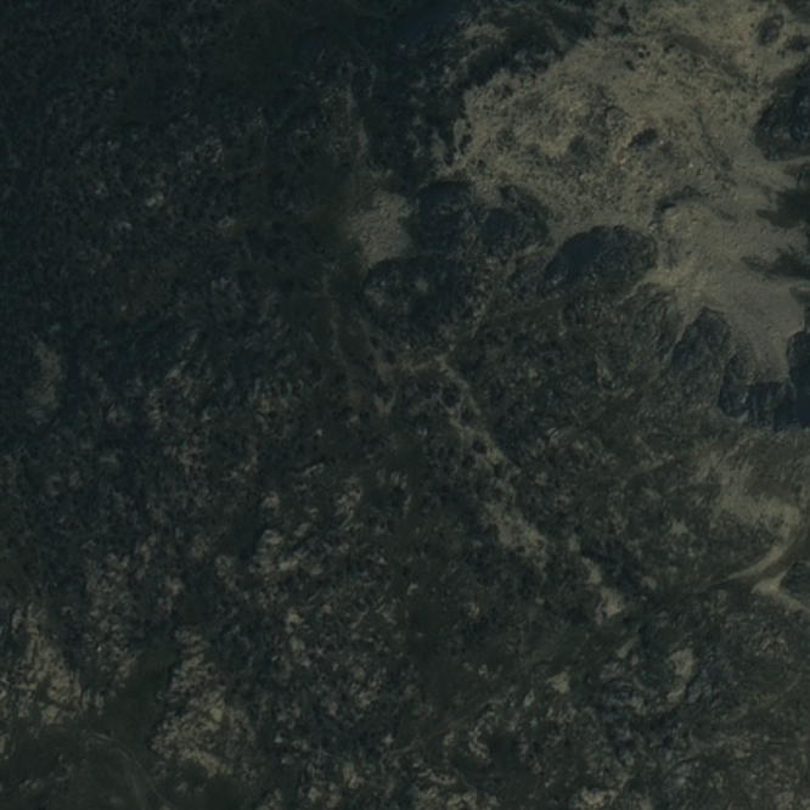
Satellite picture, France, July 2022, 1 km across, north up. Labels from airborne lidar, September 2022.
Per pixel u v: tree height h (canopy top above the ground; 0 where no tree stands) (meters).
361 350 0
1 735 0
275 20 0
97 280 8
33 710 0
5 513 0
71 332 14
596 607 0
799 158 0
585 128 0
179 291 11
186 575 10
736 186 0
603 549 9
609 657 0
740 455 0
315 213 0
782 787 0
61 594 12
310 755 7
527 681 0
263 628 9
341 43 0
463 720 0
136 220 9
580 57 0
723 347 0
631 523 0
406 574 8
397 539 0
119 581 0
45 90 7
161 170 0
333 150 0
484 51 0
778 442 0
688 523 0
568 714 0
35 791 0
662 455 0
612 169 0
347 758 0
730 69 0
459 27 8
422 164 0
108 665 0
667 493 0
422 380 0
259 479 8
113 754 0
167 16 7
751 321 0
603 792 0
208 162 8
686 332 0
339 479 0
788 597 0
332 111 0
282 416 6
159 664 0
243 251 6
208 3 11
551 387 0
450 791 0
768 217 0
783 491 0
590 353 0
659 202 0
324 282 0
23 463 9
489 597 0
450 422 0
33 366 10
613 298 0
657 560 0
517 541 0
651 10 0
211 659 0
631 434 0
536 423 7
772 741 0
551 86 0
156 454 10
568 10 0
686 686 0
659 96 0
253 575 8
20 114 9
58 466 0
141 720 0
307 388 0
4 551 0
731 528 0
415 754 0
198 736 0
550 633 0
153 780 0
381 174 0
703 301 0
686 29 0
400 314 0
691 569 0
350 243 0
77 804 0
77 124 9
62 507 9
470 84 9
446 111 0
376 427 0
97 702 0
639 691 0
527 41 0
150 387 7
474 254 0
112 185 11
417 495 0
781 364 0
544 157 0
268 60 0
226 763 0
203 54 10
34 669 0
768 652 0
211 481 10
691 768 0
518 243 6
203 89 11
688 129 0
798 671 0
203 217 10
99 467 13
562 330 0
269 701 0
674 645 0
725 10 0
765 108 0
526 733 0
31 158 10
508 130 0
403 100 8
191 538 9
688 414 0
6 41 0
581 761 0
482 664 0
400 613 0
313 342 0
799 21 0
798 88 0
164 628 11
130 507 10
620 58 0
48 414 0
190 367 8
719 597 0
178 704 0
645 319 0
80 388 9
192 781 0
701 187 0
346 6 0
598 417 0
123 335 10
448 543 0
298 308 0
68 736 0
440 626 0
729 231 0
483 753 0
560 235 0
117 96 6
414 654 0
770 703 0
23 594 0
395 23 0
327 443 0
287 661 0
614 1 0
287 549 0
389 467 0
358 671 0
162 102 12
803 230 0
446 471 6
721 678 0
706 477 0
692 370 0
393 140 0
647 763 0
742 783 0
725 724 0
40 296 12
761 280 0
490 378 0
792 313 0
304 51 10
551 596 0
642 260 0
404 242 0
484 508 0
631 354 0
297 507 0
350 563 7
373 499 0
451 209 6
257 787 0
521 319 0
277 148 17
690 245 0
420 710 0
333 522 0
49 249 12
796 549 0
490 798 0
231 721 0
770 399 0
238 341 7
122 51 7
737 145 0
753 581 0
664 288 0
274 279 0
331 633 8
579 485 0
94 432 11
